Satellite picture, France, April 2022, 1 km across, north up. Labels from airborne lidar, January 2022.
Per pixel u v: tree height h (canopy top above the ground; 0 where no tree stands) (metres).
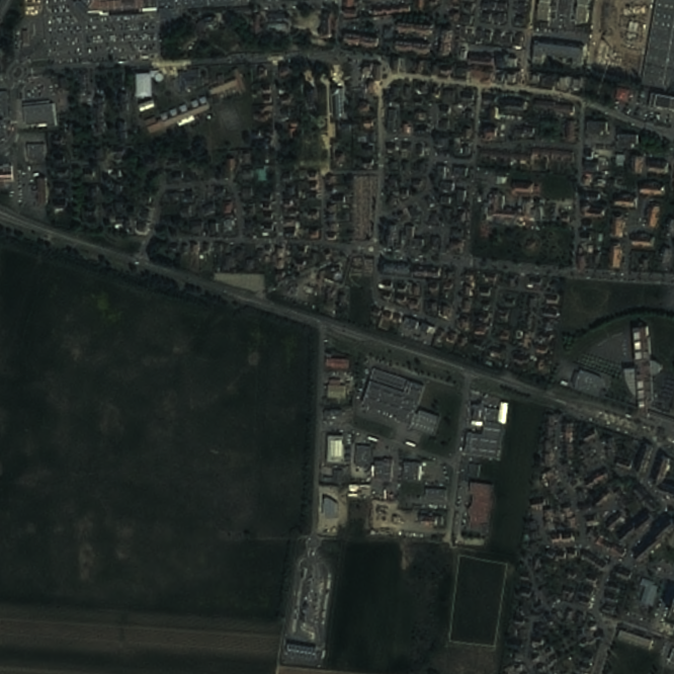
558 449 0
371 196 0
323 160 21
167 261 16
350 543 0
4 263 0
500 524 0
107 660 0
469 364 0
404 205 0
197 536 0
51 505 0
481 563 0
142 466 0
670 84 0
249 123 0
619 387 0
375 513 0
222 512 0
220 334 0
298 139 14
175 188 0
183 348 0
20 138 0
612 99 10
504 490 0
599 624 0
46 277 0
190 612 0
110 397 0
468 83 0
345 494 0
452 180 0
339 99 0
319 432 0
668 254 0
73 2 0
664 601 0
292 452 0
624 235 0
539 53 0
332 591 0
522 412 0
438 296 10
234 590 0
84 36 0
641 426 10
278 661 0
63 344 0
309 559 0
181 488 0
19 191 0
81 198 9
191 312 0
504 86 0
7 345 0
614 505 0
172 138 13
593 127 0
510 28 0
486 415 0
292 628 0
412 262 10
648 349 0
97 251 0
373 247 0
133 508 0
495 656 0
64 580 0
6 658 0
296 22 12
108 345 0
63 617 0
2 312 0
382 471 0
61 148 0
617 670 0
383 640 0
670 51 0
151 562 0
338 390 0
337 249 0
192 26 8
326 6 9
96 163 14
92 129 11
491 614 0
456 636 0
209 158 11
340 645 0
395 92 9
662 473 0
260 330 0
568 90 0
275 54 0
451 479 0
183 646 0
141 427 0
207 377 0
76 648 0
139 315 0
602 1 0
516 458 0
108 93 13
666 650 0
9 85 0
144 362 0
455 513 0
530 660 0
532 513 0
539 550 0
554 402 0
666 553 0
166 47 14
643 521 0
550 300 0
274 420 0
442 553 0
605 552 0
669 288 0
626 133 0
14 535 0
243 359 0
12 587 0
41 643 0
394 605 0
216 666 0
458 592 0
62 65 0
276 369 0
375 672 0
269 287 0
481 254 0
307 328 11
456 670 0
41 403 0
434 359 0
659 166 0
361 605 0
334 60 0
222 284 0
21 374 0
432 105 0
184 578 0
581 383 0
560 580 0
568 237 0
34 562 0
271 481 0
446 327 0
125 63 0
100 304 0
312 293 0
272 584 0
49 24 0
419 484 0
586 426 8
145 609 0
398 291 0
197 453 0
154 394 0
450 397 0
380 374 0
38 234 0
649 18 0
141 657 0
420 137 0
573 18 0
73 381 0
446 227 0
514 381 0
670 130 0
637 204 0
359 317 0
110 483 0
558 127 7
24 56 0
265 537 0
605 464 0
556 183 0
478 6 0
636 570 0
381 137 0
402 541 0
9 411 0
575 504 0
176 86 0
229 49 0
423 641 7
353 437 0
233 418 0
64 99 0
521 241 0
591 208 0
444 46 0
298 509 0
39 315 0
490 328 0
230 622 0
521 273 0
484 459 0
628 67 0
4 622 0
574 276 11
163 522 0
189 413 0
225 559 0
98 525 0
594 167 0
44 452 0
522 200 0
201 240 0
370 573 0
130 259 0
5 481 0
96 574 0
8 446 0
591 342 0
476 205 0
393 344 0
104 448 0
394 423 0
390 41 7
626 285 0
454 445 0
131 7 0
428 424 0
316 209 0
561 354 0
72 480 0
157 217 0
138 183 16
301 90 19
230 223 0
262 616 0
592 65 0
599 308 0
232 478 0
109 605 0
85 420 0
